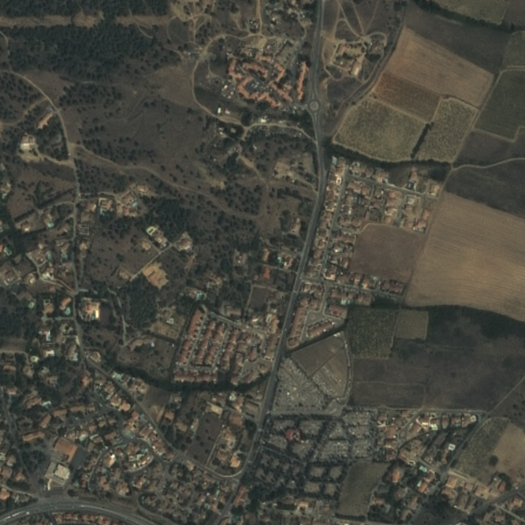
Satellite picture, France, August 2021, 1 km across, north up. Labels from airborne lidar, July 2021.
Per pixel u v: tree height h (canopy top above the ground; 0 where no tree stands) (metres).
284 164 0
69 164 0
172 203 16
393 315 0
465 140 0
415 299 0
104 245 0
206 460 0
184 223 11
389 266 0
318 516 0
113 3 8
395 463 11
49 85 0
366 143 0
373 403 0
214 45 0
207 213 6
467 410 0
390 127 0
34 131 10
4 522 0
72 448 0
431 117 0
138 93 0
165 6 11
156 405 0
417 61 0
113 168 0
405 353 0
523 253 0
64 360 8
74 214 0
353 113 0
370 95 0
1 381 8
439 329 0
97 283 11
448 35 0
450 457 6
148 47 12
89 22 0
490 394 0
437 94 0
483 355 0
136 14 10
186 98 0
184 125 0
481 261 0
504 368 0
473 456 0
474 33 0
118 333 8
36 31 12
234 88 0
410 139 0
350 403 0
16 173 0
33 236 12
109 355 9
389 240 0
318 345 0
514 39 0
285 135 11
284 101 6
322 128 0
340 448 0
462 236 0
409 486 7
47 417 0
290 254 0
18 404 13
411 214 0
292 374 0
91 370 9
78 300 8
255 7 0
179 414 10
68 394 8
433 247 0
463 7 0
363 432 0
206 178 0
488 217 0
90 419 0
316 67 0
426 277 0
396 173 0
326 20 0
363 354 0
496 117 0
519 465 0
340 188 0
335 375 0
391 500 13
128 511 0
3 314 9
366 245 0
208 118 7
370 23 0
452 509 8
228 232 14
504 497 0
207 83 0
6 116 10
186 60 0
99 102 0
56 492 0
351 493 0
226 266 11
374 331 0
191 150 0
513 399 0
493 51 0
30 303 0
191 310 7
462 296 0
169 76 0
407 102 0
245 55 13
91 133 10
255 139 7
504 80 0
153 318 11
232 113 0
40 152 9
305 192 0
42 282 0
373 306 7
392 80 0
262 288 0
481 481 0
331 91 0
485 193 0
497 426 0
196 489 7
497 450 0
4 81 11
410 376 0
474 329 0
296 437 0
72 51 11
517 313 0
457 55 0
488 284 0
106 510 0
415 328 0
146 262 0
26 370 0
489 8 0
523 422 0
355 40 0
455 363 0
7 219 8
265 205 0
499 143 0
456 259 0
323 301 0
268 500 10
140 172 0
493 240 0
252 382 8
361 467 0
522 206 0
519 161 0
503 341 0
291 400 0
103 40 10
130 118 0
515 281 0
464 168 0
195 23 0
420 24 0
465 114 0
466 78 0
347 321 8
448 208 0
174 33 0
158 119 0
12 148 10
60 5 8
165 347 0
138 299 7
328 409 0
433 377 0
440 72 0
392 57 0
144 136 0
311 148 9
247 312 6
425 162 10
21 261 8
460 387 0
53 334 12
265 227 0
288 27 0
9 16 11
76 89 11
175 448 7
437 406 0
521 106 0
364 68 0
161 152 0
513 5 0
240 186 11
